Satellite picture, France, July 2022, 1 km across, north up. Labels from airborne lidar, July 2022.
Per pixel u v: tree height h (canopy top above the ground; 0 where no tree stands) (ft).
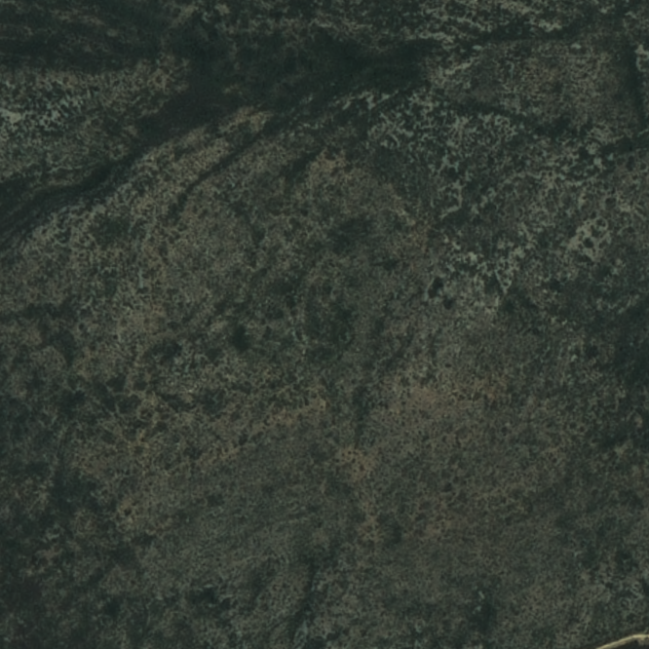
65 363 0
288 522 0
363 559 0
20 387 0
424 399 0
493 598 0
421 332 0
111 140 0
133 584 0
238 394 0
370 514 0
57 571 0
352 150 0
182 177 0
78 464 0
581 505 0
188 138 0
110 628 0
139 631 0
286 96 0
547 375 0
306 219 0
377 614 0
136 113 0
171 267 0
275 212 0
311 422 0
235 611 0
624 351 25
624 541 0
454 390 0
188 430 0
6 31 0
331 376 0
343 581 0
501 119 0
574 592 0
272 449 0
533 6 0
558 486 0
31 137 0
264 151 0
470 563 0
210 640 0
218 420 0
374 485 0
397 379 0
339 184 0
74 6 0
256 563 0
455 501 0
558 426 0
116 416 0
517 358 0
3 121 0
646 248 0
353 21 0
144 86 0
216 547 0
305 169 0
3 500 0
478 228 0
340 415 0
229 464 0
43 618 0
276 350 0
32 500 0
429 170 0
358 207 0
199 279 0
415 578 0
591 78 0
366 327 0
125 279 0
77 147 0
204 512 0
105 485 0
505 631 0
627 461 0
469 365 0
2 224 0
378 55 0
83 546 0
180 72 0
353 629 0
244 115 0
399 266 0
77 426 0
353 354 0
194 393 0
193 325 0
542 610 0
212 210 0
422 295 0
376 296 0
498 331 0
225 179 0
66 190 0
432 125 0
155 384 0
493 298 0
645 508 0
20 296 0
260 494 0
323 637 0
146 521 0
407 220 0
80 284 0
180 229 0
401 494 0
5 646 0
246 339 0
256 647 0
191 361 0
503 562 0
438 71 0
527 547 0
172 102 0
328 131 0
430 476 0
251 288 0
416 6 0
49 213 0
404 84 0
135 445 0
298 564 0
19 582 0
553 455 0
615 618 0
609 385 0
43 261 0
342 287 0
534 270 0
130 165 0
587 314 0
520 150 0
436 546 0
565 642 0
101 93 0
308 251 0
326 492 0
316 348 0
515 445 0
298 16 0
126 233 0
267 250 0
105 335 0
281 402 0
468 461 0
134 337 0
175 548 0
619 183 0
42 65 0
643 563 0
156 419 0
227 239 0
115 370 0
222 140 0
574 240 0
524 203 0
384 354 0
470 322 0
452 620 0
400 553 0
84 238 0
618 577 0
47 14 0
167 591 0
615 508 0
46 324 0
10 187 0
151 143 0
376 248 0
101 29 0
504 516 0
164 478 0
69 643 0
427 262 0
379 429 0
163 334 0
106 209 0
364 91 0
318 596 0
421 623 0
